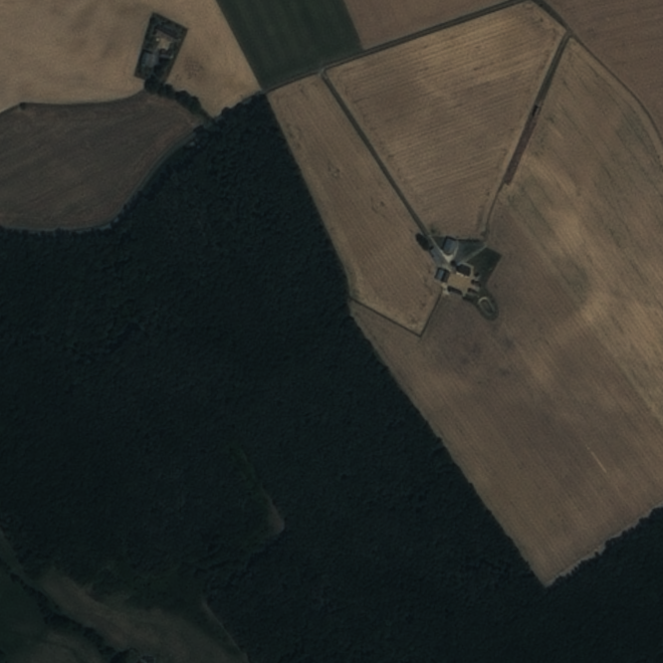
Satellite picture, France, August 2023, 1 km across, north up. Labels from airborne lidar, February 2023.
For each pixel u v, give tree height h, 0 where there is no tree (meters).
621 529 0
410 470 18
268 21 0
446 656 23
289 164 18
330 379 19
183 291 20
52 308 15
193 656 0
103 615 0
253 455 18
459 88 0
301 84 0
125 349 23
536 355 0
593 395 0
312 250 20
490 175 0
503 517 0
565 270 0
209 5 0
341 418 14
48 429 24
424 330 0
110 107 0
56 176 0
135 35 0
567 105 0
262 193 19
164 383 22
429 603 19
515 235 0
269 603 17
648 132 0
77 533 22
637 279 0
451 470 17
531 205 0
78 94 0
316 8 0
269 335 19
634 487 0
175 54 0
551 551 0
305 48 0
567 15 0
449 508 19
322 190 0
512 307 0
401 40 0
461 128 0
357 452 20
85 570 24
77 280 17
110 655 13
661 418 0
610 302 0
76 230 0
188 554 20
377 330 0
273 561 19
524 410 0
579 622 17
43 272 17
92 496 21
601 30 0
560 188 0
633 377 0
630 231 0
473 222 0
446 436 0
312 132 0
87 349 14
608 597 16
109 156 0
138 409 20
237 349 18
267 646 20
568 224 0
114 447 23
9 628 0
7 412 19
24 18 0
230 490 20
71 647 0
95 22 0
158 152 0
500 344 0
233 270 20
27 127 0
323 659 16
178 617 0
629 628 20
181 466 20
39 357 20
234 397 16
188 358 17
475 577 19
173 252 22
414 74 0
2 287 17
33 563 20
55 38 0
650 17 0
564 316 0
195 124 0
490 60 0
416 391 0
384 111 0
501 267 0
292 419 19
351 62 0
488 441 0
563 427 0
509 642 17
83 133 0
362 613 18
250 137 25
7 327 19
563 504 0
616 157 0
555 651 18
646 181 0
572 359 0
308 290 16
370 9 0
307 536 19
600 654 17
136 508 21
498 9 0
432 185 0
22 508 25
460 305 0
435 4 0
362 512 20
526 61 0
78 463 20
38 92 0
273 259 20
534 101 0
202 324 19
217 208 21
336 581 19
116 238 11
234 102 0
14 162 0
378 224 0
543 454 0
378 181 0
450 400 0
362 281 0
